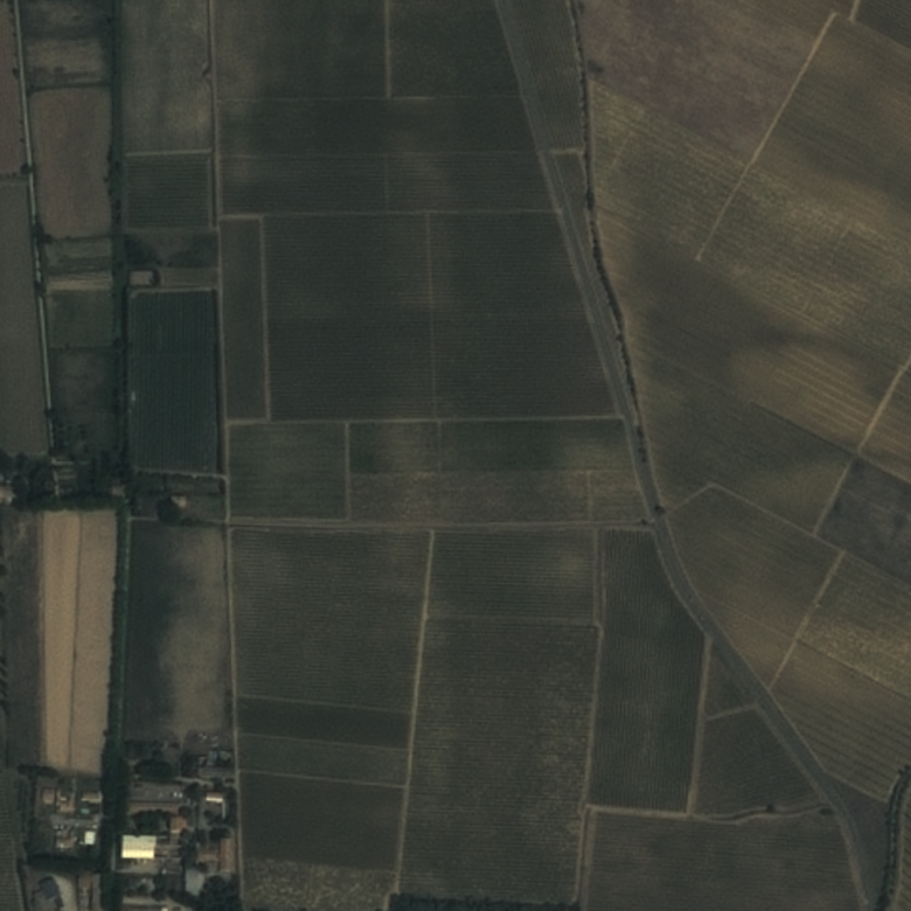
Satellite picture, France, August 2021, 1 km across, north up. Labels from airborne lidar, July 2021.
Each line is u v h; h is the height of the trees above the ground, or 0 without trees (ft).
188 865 41
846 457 0
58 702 0
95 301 0
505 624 0
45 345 0
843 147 0
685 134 0
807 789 0
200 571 0
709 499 0
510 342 0
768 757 0
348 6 0
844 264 0
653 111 0
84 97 0
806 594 0
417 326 0
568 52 0
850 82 0
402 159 0
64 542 0
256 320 0
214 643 0
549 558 0
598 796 0
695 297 0
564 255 0
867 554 0
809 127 0
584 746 0
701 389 0
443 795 0
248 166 0
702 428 0
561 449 0
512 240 0
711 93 0
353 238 0
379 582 0
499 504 0
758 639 0
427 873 0
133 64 0
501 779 0
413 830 0
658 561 0
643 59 0
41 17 0
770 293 0
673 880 0
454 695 0
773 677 0
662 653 0
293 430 0
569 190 0
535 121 0
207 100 0
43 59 0
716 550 0
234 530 0
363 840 0
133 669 0
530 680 0
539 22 0
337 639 0
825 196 0
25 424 0
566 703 0
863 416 0
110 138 0
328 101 0
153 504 0
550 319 0
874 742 0
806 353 0
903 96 0
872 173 0
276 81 0
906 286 0
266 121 0
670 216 0
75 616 0
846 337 0
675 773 0
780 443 0
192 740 0
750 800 0
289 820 0
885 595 0
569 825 0
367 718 0
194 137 0
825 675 0
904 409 0
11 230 0
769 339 0
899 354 0
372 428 0
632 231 0
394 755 0
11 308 0
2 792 0
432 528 0
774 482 0
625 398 0
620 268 0
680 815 0
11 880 0
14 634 0
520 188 0
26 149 0
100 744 0
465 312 0
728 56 0
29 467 63
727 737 0
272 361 0
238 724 0
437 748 0
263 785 0
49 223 0
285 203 0
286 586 0
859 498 0
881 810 0
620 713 0
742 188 0
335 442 0
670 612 0
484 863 0
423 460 0
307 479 0
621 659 0
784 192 0
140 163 0
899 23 0
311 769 0
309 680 0
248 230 0
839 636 0
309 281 0
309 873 0
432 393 0
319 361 0
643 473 0
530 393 0
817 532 0
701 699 0
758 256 0
